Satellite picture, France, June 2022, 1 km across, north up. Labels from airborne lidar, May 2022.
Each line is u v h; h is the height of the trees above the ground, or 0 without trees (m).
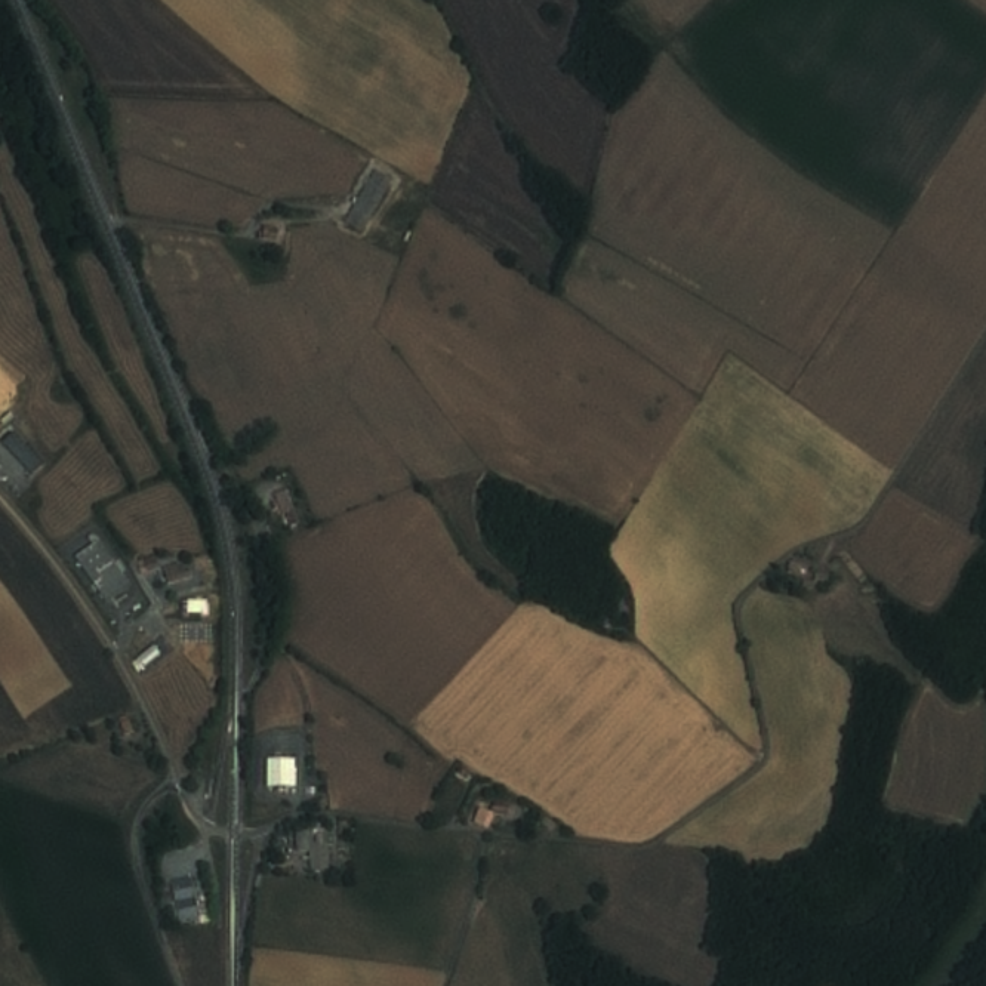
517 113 0
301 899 0
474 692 0
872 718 8
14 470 0
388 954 0
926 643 9
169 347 15
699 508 0
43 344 0
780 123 0
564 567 12
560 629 0
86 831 0
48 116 17
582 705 0
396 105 0
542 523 14
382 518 0
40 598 0
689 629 0
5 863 0
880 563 0
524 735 0
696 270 0
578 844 0
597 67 16
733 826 0
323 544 0
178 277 0
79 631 0
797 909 24
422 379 0
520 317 0
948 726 0
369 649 0
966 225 0
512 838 0
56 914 0
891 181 0
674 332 0
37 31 0
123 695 0
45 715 0
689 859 0
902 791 0
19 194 0
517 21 0
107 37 0
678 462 0
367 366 0
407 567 0
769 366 0
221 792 0
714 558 0
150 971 0
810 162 0
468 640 0
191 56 0
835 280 0
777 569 20
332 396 0
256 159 0
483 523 12
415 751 0
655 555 0
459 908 0
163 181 0
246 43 0
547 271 0
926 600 0
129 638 0
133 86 0
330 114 0
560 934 21
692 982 0
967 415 0
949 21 0
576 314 0
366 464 0
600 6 18
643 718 0
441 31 0
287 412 0
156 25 0
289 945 0
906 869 8
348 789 0
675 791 0
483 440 0
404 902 0
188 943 0
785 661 0
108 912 0
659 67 0
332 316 0
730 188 0
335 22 0
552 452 0
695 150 0
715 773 0
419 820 11
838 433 0
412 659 0
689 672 0
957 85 0
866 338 0
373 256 0
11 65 17
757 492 0
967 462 0
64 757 0
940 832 7
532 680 0
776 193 0
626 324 0
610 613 12
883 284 0
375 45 0
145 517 0
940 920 20
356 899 0
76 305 15
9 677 0
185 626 0
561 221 27
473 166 0
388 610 0
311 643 0
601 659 0
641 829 0
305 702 0
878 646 0
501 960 0
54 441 0
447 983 0
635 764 0
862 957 22
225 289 0
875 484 0
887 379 0
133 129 0
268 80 0
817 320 0
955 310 0
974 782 0
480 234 0
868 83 0
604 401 0
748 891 18
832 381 0
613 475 0
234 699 0
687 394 0
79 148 0
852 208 0
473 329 0
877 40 0
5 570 0
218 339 0
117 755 17
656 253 0
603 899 14
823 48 0
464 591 0
